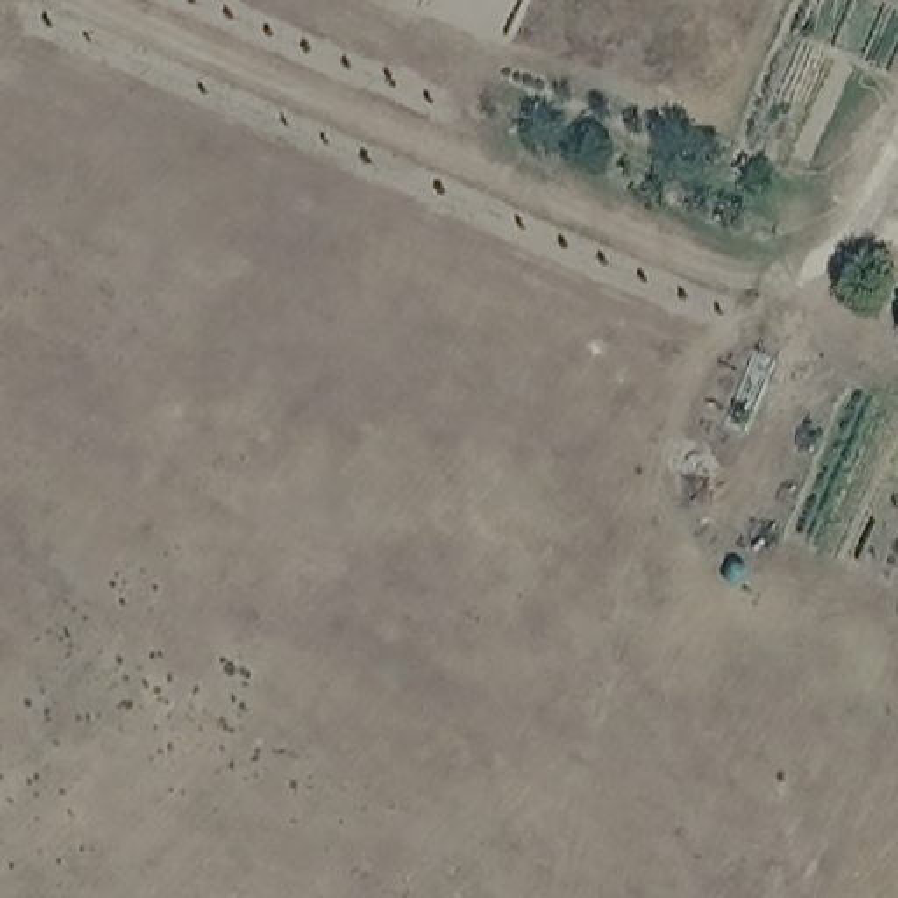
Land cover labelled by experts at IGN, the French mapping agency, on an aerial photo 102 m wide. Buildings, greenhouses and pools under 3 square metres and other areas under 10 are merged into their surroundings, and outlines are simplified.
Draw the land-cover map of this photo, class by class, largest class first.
<instances>
[{"label":"agricultural land","instance_id":"1","mask_svg":"<svg viewBox=\"0 0 898 898\"><path fill-rule=\"evenodd\" d=\"M533 0H0V898H898V417H891L884 407H873L866 389L849 393L831 379L821 386L814 375L817 354H810L807 347L810 337L828 330H849L859 316L835 302L831 281L824 270L817 281L800 288L803 256L789 253L772 267L758 260H733L698 246L691 232L677 221H663L659 214H652L631 203L617 210L603 207L589 196L582 175H579L568 186L537 182L530 175H519L505 161L488 158L481 147V91L488 84L505 88V77L540 84V77H568V84L575 81L596 91V84L603 81L600 67L561 60L530 42H519ZM758 323L768 326L765 347L779 351L768 410H793L800 421L810 417L821 435L810 445L807 477L800 481L796 495L789 502H772V512L765 516L775 526L779 540L747 547L740 554L744 565L723 579L719 565L709 554H702L695 540L681 544L659 523V516H652V509L659 505L663 477L670 474L663 463V438H688L684 424L691 396L702 393L705 372L733 344H751ZM898 123V0H824L817 14L796 11L793 25L775 21L768 28L747 70V84L740 102L733 105V116L716 130L719 154L712 161L719 168H740L747 154H765L772 172L793 182L796 193L789 200H803L810 214L831 210L835 207L842 214L849 207L852 193L877 165Z\"/></svg>","mask_w":898,"mask_h":898},{"label":"herbaceous vegetation","instance_id":"2","mask_svg":"<svg viewBox=\"0 0 898 898\"><path fill-rule=\"evenodd\" d=\"M824 0H533L519 42H530L561 60L600 67L603 81L596 84V91L575 81L568 84V77H540V84L505 77V88L488 84L481 91V147L488 158L505 161L519 175H530L537 182L568 186L579 175L565 165L561 154H530L519 144L523 98H547L572 119L589 116L607 123V172L582 175L589 196L603 207L617 210L631 203L628 186H642L649 172V133L628 130V105H677L688 112L691 123H705L716 130L733 116V105L740 102L747 84V70L768 28L775 21L793 25L796 11L817 14ZM796 193L793 182L772 172V189H761L744 200V217L737 228L716 217V200H705V207H698L670 186L663 189L666 200L652 214H659L663 221H677L691 232L698 246L733 260H758L772 267L789 253L803 256L831 228V210L810 214L803 200H789ZM880 312L859 316L849 330H828L810 337L807 347L810 354H817L814 375L821 386L831 379L849 393L866 389L873 407H884L891 417H898V242L891 246V274L880 281L877 291ZM768 326L758 323L751 344H733L705 372L702 393L691 396L684 424L688 438H663V463L670 474L663 477L659 505L652 509V516H659V523L681 544L695 540L702 554H709L719 565L723 579L744 565L740 554L747 547L779 540L775 526L765 516L772 512V502H789L796 495L800 481L807 477L810 445L821 435L810 417L800 421L793 410H768L779 351L765 347Z\"/></svg>","mask_w":898,"mask_h":898},{"label":"deciduous trees","instance_id":"3","mask_svg":"<svg viewBox=\"0 0 898 898\"><path fill-rule=\"evenodd\" d=\"M519 144L530 154H561L565 165L579 175H582L607 172V123L589 116L572 119L547 98H523ZM628 130L649 133V172L642 186H628L631 203L652 214L666 200L663 189L670 186L698 207H705V200H716V217L737 228L744 217V200L761 189H772V172L765 154H747L740 168H719L712 161L719 154L716 130L705 123H691L688 112L677 105H628ZM891 274V246L880 242L877 253L852 256L842 277L831 281L835 302L859 316L880 312L877 291L880 281Z\"/></svg>","mask_w":898,"mask_h":898},{"label":"pervious surface","instance_id":"4","mask_svg":"<svg viewBox=\"0 0 898 898\"><path fill-rule=\"evenodd\" d=\"M880 242L891 246L898 242V123L877 165L852 193L849 207L842 214L835 207L831 210V228L803 256L800 288L817 281L824 270L831 281L842 277L852 256L877 253Z\"/></svg>","mask_w":898,"mask_h":898}]
</instances>
